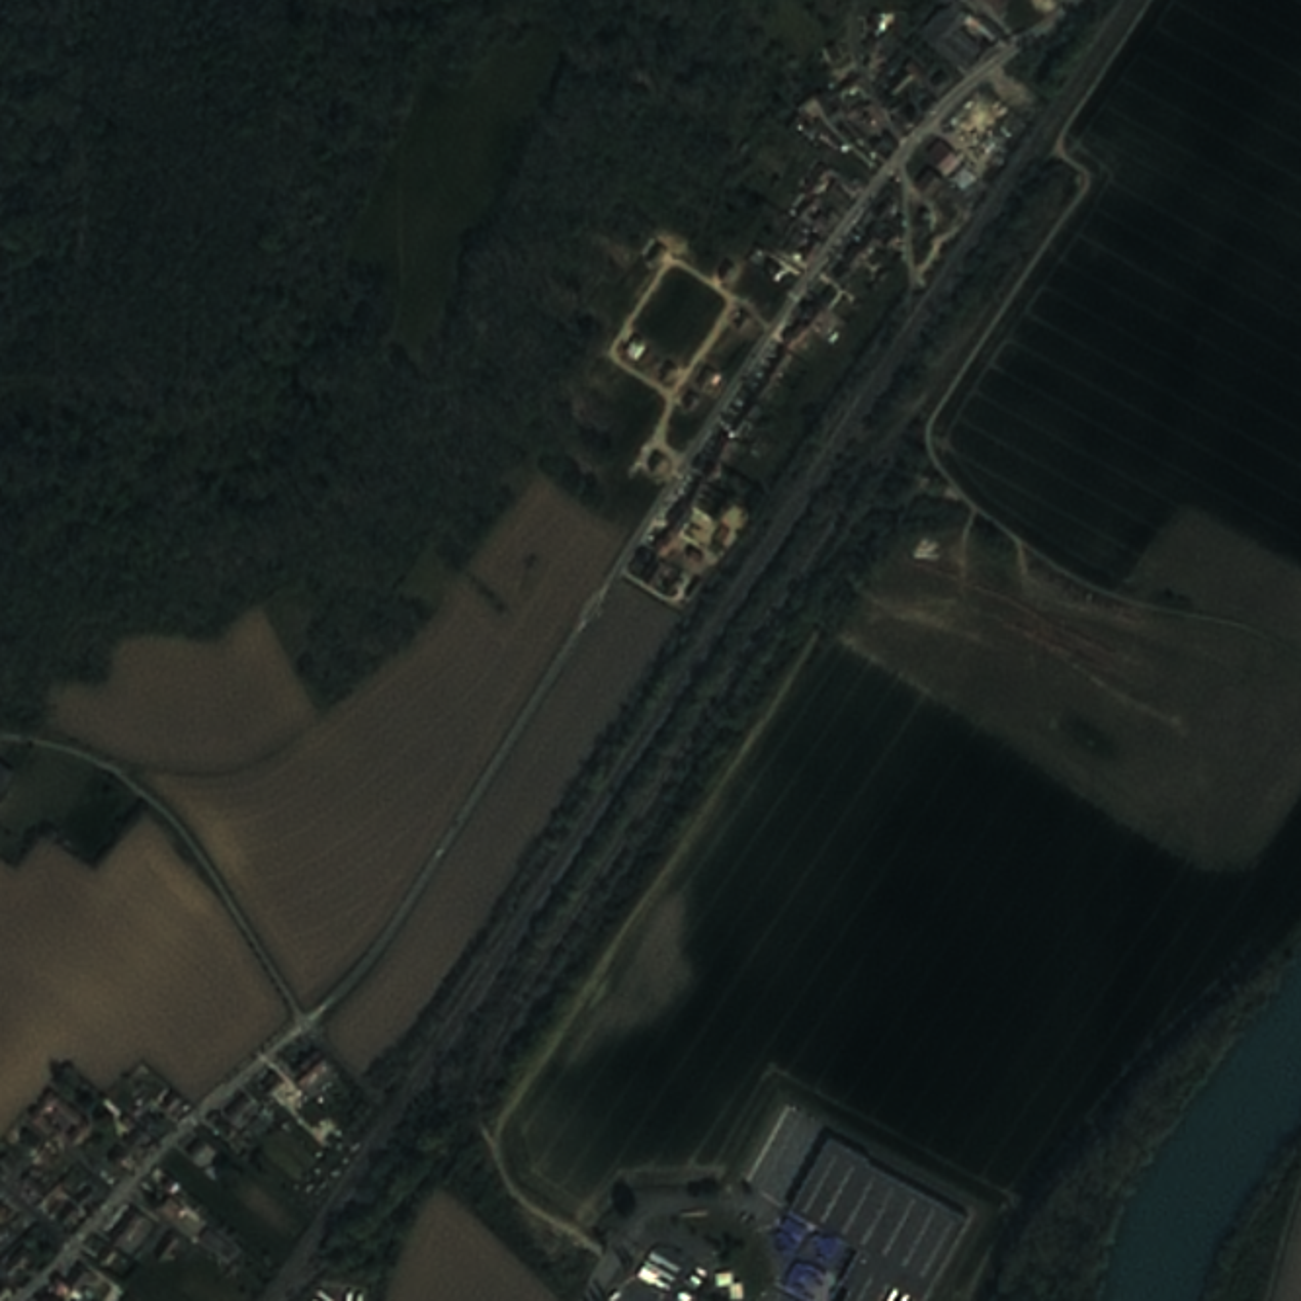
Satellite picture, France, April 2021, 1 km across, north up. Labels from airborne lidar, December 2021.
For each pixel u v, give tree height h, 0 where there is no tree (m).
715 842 0
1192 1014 0
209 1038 0
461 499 23
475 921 0
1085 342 0
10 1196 0
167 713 0
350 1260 15
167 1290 0
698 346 0
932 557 0
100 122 21
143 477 23
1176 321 0
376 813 0
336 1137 6
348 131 27
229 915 0
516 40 7
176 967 0
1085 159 0
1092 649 0
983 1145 0
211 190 18
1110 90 0
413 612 14
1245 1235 9
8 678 13
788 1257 0
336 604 15
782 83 11
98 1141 6
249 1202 0
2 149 24
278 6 15
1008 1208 0
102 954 0
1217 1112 0
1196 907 0
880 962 0
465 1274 0
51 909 0
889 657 0
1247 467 0
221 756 0
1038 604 0
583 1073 0
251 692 0
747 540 12
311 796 0
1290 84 0
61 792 0
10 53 26
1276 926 0
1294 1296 0
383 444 21
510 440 22
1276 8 0
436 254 0
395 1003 0
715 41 23
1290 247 0
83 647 16
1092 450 0
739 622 9
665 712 0
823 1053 0
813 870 0
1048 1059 0
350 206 27
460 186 0
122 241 20
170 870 0
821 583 14
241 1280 0
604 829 11
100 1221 0
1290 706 0
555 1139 0
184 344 12
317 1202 0
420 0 11
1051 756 0
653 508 0
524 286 26
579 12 20
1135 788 0
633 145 23
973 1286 0
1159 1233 0
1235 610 0
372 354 25
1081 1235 18
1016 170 0
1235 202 0
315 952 0
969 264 7
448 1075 16
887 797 0
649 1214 0
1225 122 0
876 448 0
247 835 0
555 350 22
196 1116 0
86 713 0
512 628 0
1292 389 0
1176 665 0
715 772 17
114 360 19
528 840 0
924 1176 0
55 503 29
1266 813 0
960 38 0
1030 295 0
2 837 0
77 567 24
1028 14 0
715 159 19
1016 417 0
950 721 0
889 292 0
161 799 0
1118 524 0
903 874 0
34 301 14
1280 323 0
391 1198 18
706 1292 7
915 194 0
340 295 16
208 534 23
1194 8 0
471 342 23
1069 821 0
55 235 26
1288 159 0
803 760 0
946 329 10
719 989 0
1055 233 0
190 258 17
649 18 19
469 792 0
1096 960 0
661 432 0
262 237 12
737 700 13
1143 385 0
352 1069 0
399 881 0
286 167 18
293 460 24
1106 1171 34
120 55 23
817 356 0
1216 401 0
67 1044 0
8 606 18
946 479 0
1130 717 0
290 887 0
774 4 12
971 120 0
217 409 11
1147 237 0
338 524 18
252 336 7
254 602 12
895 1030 0
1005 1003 0
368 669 16
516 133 0
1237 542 0
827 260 0
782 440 0
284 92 14
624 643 0
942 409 0
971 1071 0
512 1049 6
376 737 0
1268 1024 0
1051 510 0
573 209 20
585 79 22
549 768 0
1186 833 0
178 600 18
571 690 0
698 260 0
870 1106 0
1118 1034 0
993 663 0
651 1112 0
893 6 0
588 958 10
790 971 0
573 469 20
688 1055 0
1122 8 0
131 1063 0
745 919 0
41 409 7
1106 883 0
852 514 10
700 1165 0
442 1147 7
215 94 18
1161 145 0
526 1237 0
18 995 0
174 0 24
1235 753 0
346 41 27
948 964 0
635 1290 0
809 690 0
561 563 0
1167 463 0
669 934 0
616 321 0
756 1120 0
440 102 0
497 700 0
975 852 0
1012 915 0
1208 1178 0
